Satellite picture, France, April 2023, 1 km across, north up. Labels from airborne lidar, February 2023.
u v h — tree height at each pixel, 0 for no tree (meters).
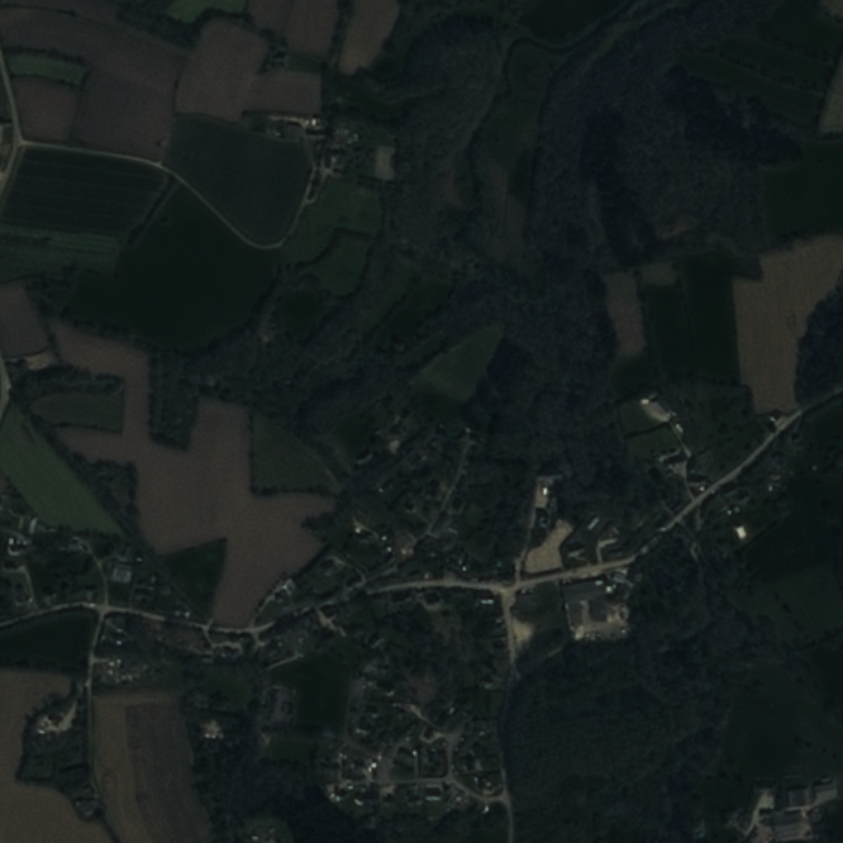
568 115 15
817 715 0
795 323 0
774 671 0
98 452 0
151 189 0
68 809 0
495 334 0
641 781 0
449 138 19
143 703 0
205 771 6
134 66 0
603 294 7
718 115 10
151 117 0
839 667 0
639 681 34
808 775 0
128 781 0
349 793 0
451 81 17
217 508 0
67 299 0
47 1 0
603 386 20
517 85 0
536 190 10
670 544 11
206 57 0
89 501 0
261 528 0
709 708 19
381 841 20
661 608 0
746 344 0
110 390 13
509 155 0
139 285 0
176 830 0
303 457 0
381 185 7
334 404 13
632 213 20
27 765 11
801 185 0
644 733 34
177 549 0
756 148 24
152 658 15
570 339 35
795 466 0
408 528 9
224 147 0
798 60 0
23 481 0
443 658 16
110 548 8
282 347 15
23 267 0
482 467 17
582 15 0
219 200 0
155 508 0
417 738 0
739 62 9
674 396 15
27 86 0
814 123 9
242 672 14
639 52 16
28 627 9
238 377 9
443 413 0
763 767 0
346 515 10
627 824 12
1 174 0
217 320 0
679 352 0
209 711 8
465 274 6
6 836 0
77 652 0
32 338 0
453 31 20
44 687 0
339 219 0
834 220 0
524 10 0
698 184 12
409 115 17
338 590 12
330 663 0
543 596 0
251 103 0
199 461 0
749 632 27
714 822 0
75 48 0
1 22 0
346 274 0
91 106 0
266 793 22
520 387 24
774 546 0
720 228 15
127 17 16
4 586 9
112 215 0
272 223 0
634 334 0
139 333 0
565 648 10
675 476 9
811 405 14
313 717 0
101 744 0
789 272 0
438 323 9
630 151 12
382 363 21
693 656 20
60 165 0
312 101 0
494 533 8
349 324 25
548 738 38
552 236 16
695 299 0
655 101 13
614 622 0
